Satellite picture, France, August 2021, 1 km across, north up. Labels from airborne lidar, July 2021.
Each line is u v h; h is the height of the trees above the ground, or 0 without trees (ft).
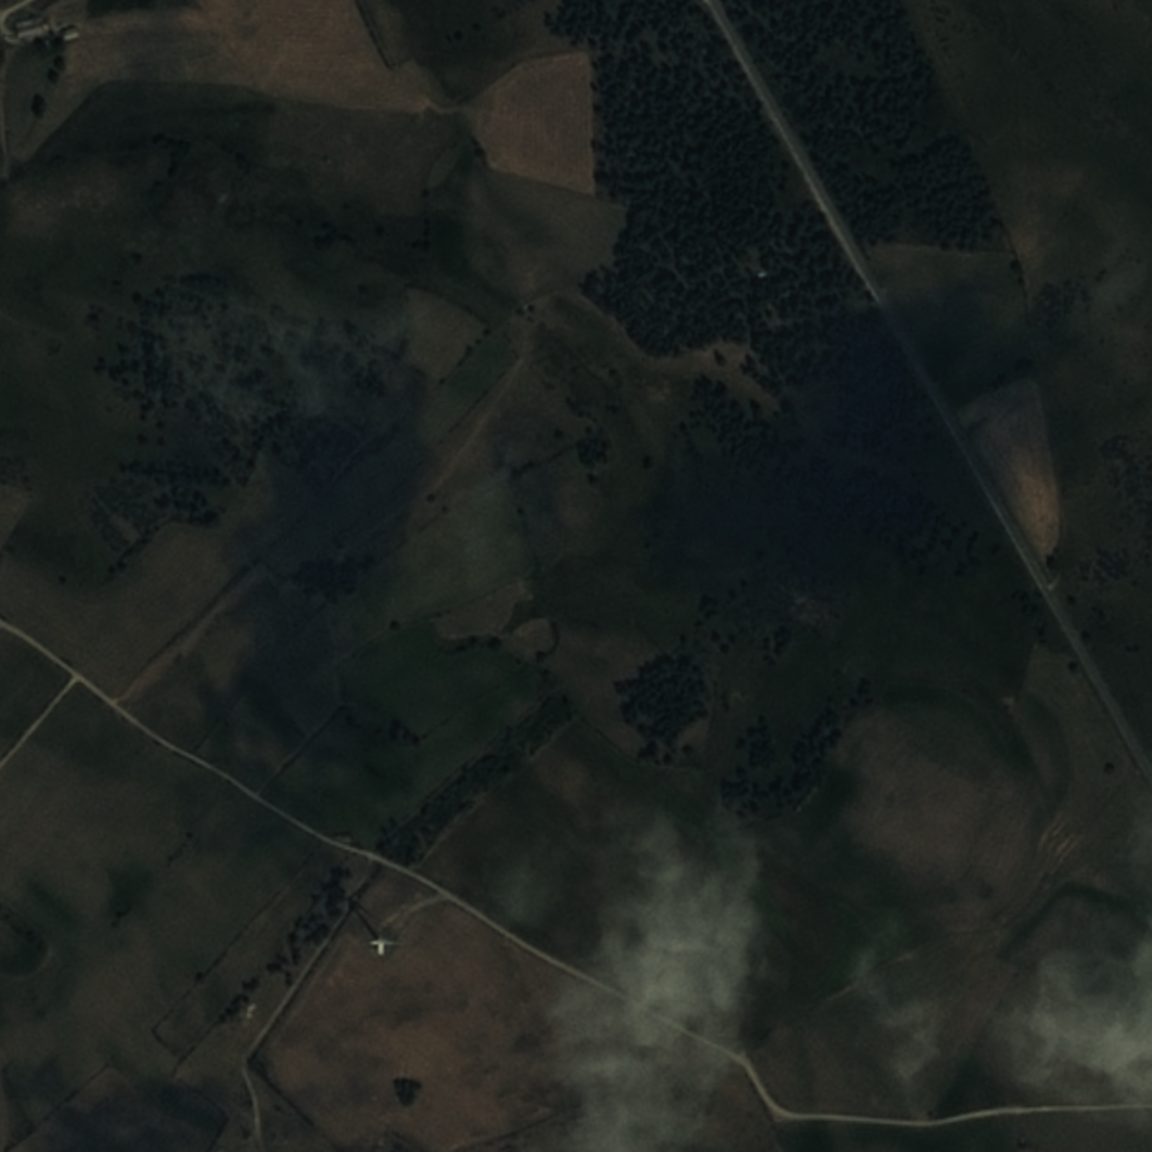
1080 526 0
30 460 0
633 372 0
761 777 0
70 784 0
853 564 0
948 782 0
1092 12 0
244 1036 0
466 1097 0
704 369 0
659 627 0
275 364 0
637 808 0
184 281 26
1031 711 0
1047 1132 0
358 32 0
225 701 0
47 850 0
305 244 0
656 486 0
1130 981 0
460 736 0
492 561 0
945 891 0
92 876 0
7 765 0
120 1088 0
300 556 0
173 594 0
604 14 56
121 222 0
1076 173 0
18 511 0
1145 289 0
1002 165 0
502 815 0
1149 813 0
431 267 0
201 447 0
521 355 0
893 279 0
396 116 0
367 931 0
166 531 0
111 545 0
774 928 0
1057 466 0
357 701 0
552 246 0
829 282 57
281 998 0
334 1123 0
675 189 37
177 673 0
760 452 27
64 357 0
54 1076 0
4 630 0
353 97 0
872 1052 0
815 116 36
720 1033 0
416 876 0
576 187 0
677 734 44
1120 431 0
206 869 0
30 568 0
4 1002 0
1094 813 0
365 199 0
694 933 0
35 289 0
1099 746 0
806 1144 0
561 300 0
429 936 0
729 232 43
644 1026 0
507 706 0
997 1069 0
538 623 0
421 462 0
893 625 0
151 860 0
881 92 47
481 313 0
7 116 0
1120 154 0
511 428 0
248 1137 0
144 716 0
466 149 0
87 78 0
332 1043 0
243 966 0
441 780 0
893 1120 0
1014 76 0
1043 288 0
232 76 0
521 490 0
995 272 0
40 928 0
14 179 0
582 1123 0
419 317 0
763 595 0
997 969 0
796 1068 0
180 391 31
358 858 0
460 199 0
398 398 0
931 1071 0
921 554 36
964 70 0
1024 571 0
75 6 0
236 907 0
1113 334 0
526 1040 0
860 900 0
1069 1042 0
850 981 0
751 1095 0
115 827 0
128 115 0
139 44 0
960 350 0
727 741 0
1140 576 0
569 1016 0
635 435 0
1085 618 0
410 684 0
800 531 0
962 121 0
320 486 0
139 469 31
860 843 0
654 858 0
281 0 0
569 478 0
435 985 0
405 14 0
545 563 0
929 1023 0
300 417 40
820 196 0
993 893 0
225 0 0
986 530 0
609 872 0
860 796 0
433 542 0
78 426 0
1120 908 0
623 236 26
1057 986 0
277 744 0
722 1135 0
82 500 0
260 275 0
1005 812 0
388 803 0
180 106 0
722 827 0
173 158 27
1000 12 0
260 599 0
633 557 0
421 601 0
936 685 0
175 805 0
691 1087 0
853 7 47
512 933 0
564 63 0
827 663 0
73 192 0
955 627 0
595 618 0
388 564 0
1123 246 0
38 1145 0
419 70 0
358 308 0
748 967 0
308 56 0
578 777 0
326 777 0
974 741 0
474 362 0
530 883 0
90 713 0
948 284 0
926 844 0
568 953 0
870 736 0
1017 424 0
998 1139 0
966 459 0
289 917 0
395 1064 0
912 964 0
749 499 0
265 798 0
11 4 0
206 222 0
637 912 0
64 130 0
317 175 0
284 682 0
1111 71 0
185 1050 0
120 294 0
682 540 0
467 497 0
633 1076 0
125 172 0
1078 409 0
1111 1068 0
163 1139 0
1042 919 0
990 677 0
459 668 0
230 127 0
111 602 0
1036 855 0
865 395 41
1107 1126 0
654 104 42
